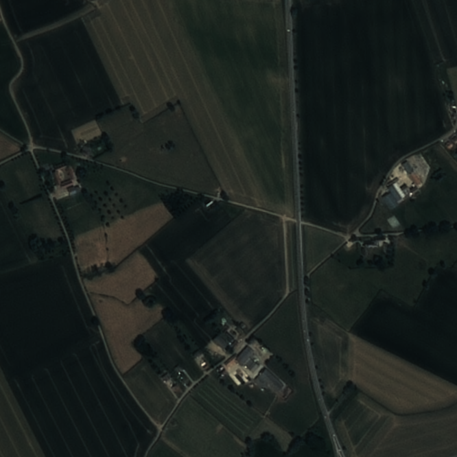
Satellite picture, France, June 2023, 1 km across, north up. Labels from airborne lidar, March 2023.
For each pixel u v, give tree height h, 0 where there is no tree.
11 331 0
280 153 0
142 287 0
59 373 0
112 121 0
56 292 0
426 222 0
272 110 0
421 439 0
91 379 0
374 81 0
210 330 0
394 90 0
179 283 0
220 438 0
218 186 0
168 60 0
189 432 0
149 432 0
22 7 0
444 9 0
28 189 0
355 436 0
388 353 0
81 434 0
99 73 0
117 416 0
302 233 0
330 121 0
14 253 0
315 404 0
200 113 0
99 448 0
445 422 0
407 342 0
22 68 0
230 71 0
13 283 0
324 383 0
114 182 0
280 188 0
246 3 0
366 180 0
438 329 0
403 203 0
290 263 0
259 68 0
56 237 0
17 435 0
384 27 0
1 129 0
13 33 0
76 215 0
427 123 0
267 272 0
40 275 0
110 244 0
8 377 0
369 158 0
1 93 0
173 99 0
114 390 0
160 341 0
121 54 0
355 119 0
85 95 0
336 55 0
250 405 9
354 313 0
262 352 0
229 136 0
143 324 0
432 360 0
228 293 0
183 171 0
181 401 0
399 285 0
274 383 0
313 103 0
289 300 0
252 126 0
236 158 0
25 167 0
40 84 0
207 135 0
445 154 0
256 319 0
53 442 0
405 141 0
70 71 0
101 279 0
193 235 0
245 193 0
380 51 0
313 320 0
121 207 0
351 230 0
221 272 0
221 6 0
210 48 0
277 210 0
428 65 0
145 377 0
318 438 12
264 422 0
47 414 0
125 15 0
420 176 0
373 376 0
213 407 0
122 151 0
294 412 0
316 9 0
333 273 0
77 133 0
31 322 0
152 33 0
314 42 0
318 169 0
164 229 0
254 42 0
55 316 0
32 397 0
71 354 0
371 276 0
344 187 0
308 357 0
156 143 0
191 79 0
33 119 0
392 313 0
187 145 0
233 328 0
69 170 0
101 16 0
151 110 0
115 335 0
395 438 0
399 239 0
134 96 0
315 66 0
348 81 0
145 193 0
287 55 0
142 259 0
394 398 0
